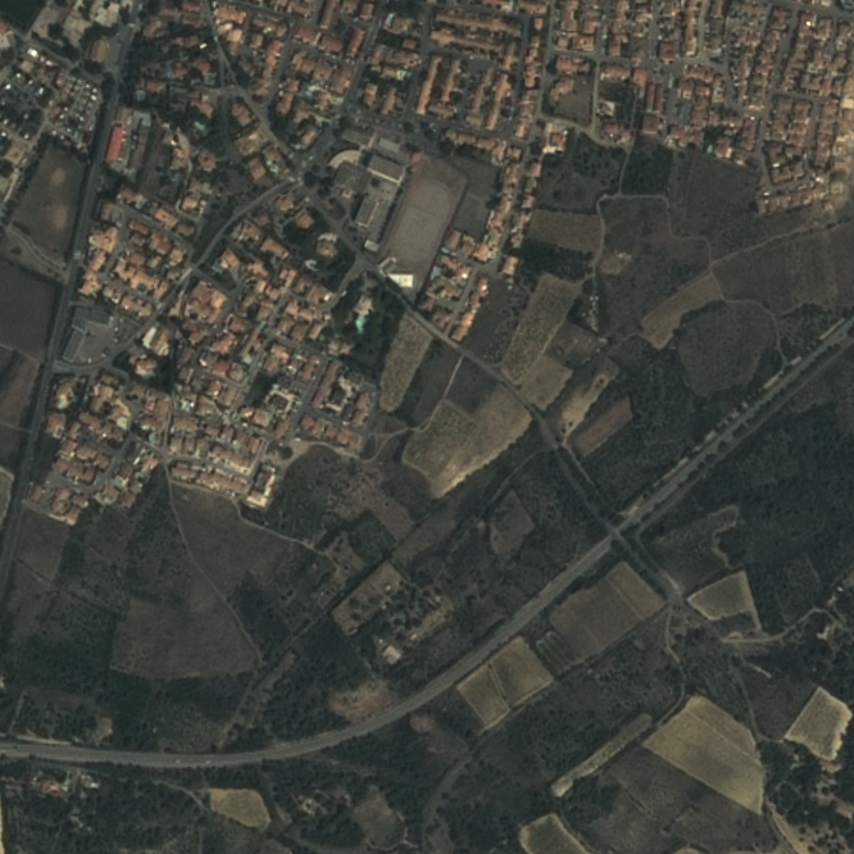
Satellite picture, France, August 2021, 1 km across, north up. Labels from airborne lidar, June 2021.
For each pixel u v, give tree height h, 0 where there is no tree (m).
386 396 0
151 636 0
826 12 0
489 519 9
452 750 0
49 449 0
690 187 0
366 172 0
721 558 0
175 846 0
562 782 0
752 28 0
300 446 0
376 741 8
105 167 8
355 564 0
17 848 0
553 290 0
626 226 0
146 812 9
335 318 9
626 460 0
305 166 0
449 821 8
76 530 5
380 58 0
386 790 11
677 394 0
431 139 11
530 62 0
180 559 0
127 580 0
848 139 0
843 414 0
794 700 0
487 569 0
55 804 11
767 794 7
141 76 7
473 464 0
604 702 0
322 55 0
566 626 0
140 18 9
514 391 0
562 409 0
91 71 10
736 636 0
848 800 10
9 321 0
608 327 0
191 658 0
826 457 9
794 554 0
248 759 0
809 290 0
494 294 0
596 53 0
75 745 10
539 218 0
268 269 10
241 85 11
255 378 0
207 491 0
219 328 0
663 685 0
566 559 0
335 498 0
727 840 0
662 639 0
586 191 0
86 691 10
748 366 0
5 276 0
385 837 0
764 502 6
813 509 5
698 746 0
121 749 12
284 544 0
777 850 0
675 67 0
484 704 0
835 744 0
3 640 5
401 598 8
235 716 0
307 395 0
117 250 0
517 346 0
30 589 0
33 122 14
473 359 0
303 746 0
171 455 0
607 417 0
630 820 0
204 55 7
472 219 0
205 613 0
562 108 0
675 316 0
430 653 0
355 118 0
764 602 11
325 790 10
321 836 9
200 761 0
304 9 0
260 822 0
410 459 0
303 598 0
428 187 0
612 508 9
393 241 0
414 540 0
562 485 7
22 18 0
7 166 10
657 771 0
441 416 0
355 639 10
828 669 10
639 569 8
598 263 0
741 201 0
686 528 0
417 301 6
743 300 0
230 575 0
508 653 0
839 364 0
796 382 7
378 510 0
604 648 0
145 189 0
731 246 0
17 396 0
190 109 9
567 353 0
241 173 6
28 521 0
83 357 0
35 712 8
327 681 9
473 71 0
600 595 0
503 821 8
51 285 6
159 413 0
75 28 0
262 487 0
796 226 0
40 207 0
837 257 0
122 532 0
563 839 0
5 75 0
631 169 7
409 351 0
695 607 0
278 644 7
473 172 0
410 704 0
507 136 0
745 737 0
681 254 0
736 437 9
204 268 10
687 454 8
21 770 8
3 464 0
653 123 0
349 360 13
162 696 9
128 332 0
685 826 0
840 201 0
